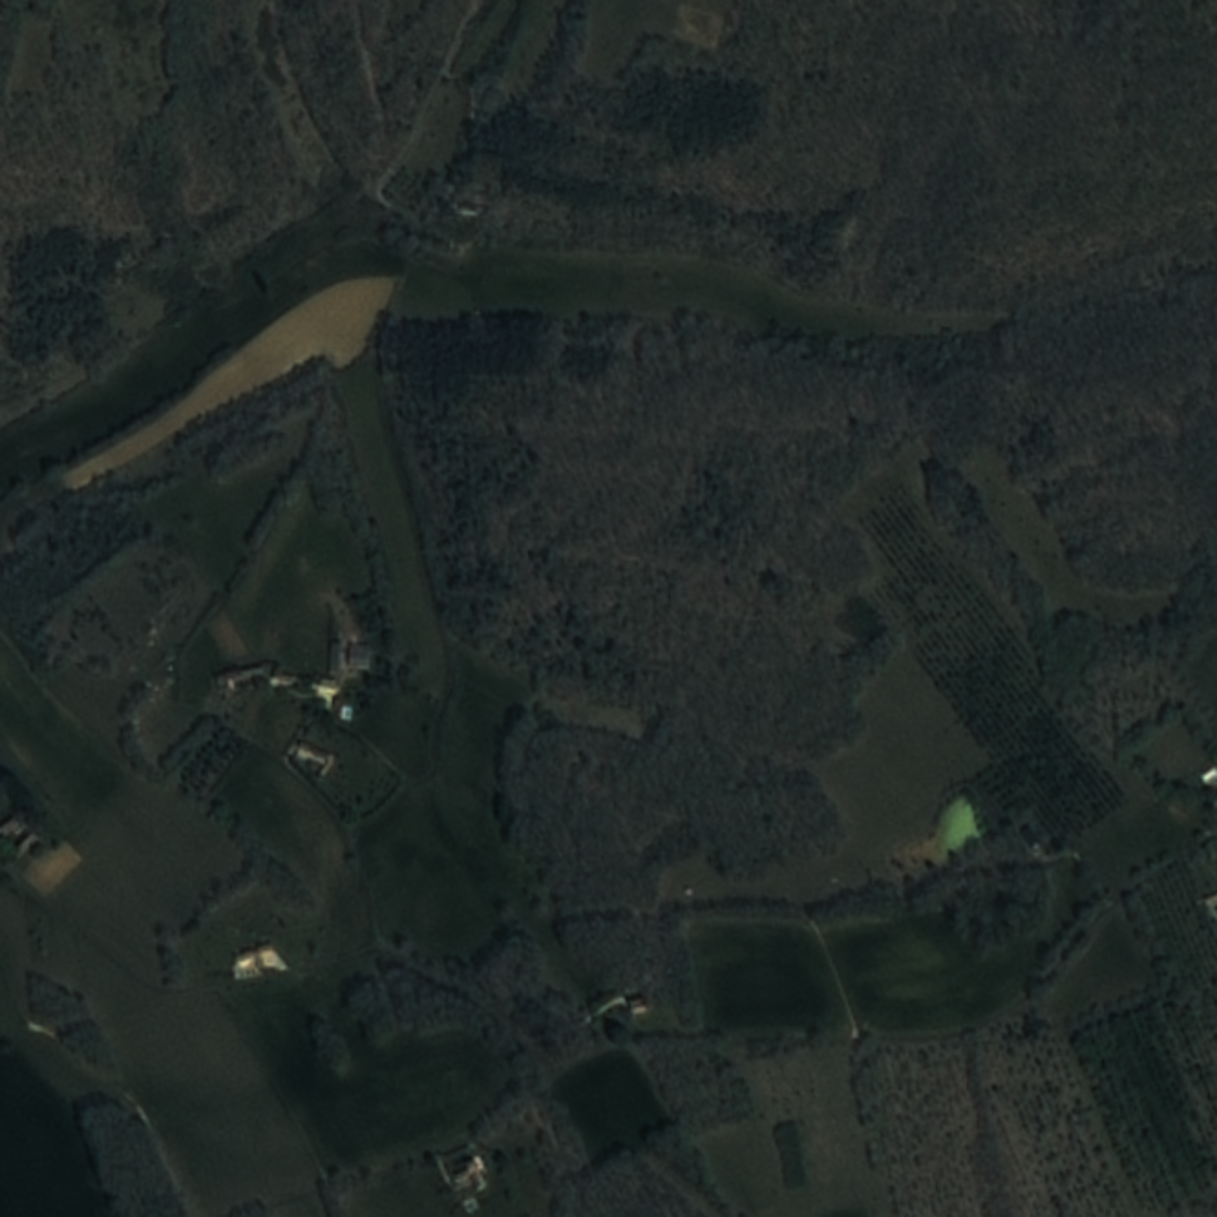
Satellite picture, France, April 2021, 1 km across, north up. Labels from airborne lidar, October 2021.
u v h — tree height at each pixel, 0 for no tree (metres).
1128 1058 10
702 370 12
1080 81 11
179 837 0
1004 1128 6
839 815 11
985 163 13
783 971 0
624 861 13
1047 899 18
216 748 7
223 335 0
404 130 9
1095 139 11
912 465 0
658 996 19
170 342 0
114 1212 19
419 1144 0
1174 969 14
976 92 13
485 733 0
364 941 0
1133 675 8
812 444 9
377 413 0
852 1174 0
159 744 0
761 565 11
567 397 13
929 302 14
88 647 0
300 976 0
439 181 16
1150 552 12
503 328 11
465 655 0
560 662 7
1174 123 11
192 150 11
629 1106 0
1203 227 12
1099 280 16
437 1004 21
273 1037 0
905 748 0
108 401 0
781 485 11
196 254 11
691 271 0
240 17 14
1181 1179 9
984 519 10
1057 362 16
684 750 19
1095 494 6
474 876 0
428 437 7
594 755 12
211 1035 0
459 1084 0
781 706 11
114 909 0
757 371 14
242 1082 0
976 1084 10
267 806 0
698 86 10
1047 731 8
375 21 11
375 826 0
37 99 9
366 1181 13
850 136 11
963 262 9
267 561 0
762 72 10
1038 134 12
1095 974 0
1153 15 15
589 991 0
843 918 17
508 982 23
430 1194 0
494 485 7
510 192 9
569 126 9
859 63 13
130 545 8
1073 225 11
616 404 9
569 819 14
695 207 13
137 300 0
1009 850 17
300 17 11
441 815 0
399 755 0
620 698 8
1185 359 11
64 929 0
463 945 0
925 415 18
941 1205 8
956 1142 7
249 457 15
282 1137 0
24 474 0
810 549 12
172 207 12
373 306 0
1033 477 16
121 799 0
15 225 8
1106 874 0
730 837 18
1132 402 12
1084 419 8
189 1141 0
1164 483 14
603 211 11
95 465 0
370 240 0
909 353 6
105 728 0
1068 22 11
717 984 0
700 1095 16
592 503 8
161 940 15
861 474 10
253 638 0
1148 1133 9
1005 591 14
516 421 8
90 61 11
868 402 12
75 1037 17
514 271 0
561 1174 16
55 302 11
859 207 6
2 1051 10
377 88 10
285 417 10
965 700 6
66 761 0
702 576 8
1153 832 0
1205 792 6
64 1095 0
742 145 8
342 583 0
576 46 15
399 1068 0
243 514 0
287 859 0
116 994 0
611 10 0
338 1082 0
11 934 0
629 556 9
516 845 17
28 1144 0
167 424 0
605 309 0
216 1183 0
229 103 15
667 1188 17
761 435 10
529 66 0
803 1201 0
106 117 9
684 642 9
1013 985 0
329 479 16
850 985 0
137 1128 19
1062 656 17
